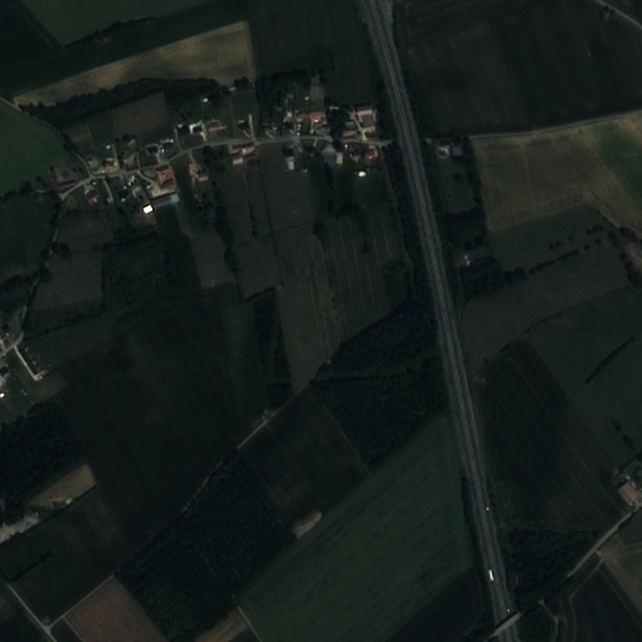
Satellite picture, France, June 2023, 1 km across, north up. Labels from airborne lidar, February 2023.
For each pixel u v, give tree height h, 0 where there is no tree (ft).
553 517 0
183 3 0
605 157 0
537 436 0
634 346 0
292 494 0
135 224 0
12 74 0
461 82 0
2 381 0
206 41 0
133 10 0
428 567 0
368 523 0
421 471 0
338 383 36
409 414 36
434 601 0
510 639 0
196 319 0
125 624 0
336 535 0
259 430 0
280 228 0
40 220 0
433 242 0
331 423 0
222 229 65
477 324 0
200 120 0
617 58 0
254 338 0
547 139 0
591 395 0
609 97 0
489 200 0
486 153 0
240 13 0
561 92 0
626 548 0
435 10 0
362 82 0
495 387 0
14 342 0
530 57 0
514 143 0
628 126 0
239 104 0
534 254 0
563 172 0
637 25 0
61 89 0
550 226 0
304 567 0
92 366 0
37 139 0
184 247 0
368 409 25
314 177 0
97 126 0
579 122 0
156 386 0
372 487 0
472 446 0
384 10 0
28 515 0
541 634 27
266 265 0
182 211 0
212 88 52
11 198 25
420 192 0
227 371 0
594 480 0
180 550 45
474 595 0
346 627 0
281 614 0
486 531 0
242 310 0
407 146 0
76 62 0
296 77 42
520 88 0
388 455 27
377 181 0
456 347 0
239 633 0
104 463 0
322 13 0
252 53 0
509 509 0
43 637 0
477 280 52
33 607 0
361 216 45
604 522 0
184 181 0
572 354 0
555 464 0
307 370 0
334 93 0
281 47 0
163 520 0
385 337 53
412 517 0
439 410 25
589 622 0
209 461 0
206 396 0
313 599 0
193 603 30
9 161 0
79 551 0
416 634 0
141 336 0
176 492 0
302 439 0
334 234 0
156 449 0
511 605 0
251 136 0
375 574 0
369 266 0
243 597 0
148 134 0
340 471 0
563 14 0
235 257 54
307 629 0
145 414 0
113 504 0
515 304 0
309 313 0
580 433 0
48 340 0
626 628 0
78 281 0
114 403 0
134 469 0
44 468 55
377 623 0
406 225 44
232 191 0
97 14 0
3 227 0
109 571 0
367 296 0
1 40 0
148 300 0
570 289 0
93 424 0
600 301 0
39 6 0
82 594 0
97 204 0
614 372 0
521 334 0
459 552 0
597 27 0
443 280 0
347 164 0
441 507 0
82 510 0
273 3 0
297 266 0
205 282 0
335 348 0
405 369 0
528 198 0
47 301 0
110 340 0
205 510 38
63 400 0
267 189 0
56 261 0
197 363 0
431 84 0
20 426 49
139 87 18
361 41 0
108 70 0
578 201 0
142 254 0
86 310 0
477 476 0
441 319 0
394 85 0
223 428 0
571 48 0
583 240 0
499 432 0
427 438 0
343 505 0
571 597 0
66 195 0
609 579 0
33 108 38
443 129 0
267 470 0
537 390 0
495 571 0
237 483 39
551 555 30
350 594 0
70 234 0
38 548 0
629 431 0
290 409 0
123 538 0
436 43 0
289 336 0
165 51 0
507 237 0
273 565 0
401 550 0
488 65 0
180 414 0
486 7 0
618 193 0
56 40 0
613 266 0
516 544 59
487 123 0
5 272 0
